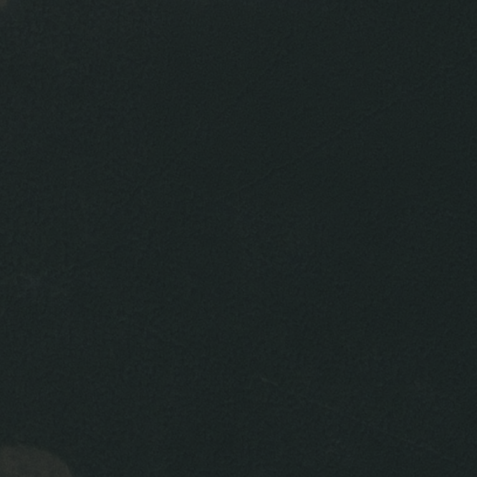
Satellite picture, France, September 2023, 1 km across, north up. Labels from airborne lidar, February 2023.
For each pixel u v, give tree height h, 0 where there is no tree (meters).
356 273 29
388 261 32
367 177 28
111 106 35
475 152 28
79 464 29
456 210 31
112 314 30
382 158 27
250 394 33
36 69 32
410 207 31
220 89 26
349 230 28
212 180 25
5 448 0
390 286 31
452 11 29
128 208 33
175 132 28
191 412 35
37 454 0
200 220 34
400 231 31
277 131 28
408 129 30
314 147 26
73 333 36
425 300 30
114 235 31
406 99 29
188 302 36
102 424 38
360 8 28
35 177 38
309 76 29
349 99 30
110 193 29
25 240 34
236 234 34
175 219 33
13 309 33
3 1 0
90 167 33
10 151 36
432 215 28
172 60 28
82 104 32
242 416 35
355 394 26
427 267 29
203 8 29
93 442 36
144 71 30
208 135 27
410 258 29
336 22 25
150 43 32
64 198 31
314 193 27
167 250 38
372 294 29
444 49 26
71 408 35
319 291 33
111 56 35
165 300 36
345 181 28
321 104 30
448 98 26
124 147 31
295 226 31
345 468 27
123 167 32
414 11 29
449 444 27
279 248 31
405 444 17
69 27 35
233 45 27
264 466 28
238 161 25
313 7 28
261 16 30
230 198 25
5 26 35
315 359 28
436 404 23
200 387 34
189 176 27
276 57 23
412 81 24
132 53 33
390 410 28
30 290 27
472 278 30
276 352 32
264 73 22
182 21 29
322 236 32
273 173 25
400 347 28
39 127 35
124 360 35
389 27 29
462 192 28
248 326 35
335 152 28
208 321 37
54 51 35
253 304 35
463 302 30
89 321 36
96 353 37
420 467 29
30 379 34
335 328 33
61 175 35
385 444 22
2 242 34
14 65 38
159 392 35
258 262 33
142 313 32
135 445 33
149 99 30
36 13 34
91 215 31
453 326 30
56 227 35
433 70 21
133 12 35
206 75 26
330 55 27
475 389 27
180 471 39
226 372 33
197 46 28
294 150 27
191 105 26
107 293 32
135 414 37
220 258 36
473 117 28
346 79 28
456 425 21
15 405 31
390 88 28
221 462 34
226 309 36
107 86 36
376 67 27
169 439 36
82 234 27
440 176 28
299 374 28
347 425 28
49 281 30
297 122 28
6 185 36
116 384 34
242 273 37
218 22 29
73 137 34
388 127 29
